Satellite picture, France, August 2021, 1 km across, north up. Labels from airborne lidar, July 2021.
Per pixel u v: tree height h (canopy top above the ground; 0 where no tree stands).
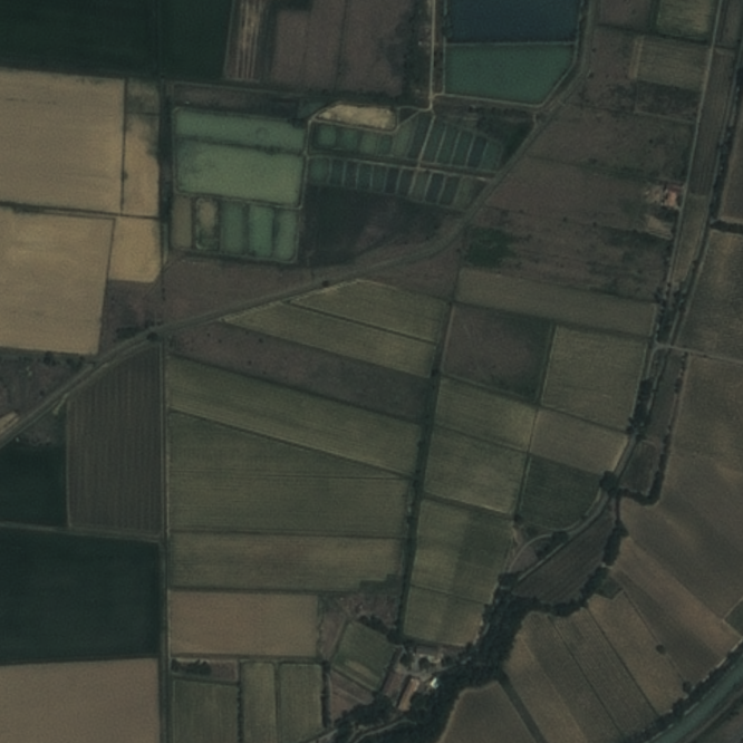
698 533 0
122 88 0
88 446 0
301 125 10
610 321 0
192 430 0
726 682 0
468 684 12
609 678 0
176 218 0
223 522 0
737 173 0
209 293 0
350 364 0
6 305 0
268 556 0
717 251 0
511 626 14
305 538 0
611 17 0
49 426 0
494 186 0
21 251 0
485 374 0
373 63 0
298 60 0
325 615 0
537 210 0
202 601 0
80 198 0
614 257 0
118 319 0
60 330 0
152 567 0
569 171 0
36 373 0
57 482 0
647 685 0
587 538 0
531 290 0
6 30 0
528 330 0
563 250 0
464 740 0
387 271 0
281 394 0
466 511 0
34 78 0
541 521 0
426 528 0
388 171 0
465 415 0
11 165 0
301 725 0
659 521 0
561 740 0
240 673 0
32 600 0
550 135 0
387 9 0
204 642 0
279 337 0
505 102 0
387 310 0
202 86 0
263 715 0
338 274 0
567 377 0
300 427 0
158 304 0
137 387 0
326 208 0
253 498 0
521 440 0
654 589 0
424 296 0
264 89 0
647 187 0
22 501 0
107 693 0
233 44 0
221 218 0
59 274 0
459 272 0
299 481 0
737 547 0
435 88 0
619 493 7
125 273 0
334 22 0
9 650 0
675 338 0
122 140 0
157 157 0
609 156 0
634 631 0
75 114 0
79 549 0
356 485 0
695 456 0
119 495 0
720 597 0
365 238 0
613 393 0
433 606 0
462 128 0
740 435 0
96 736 0
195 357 0
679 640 0
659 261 0
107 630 0
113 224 0
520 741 0
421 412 0
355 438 0
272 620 0
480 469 0
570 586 0
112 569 0
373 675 0
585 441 0
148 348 0
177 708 0
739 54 0
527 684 0
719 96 0
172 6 0
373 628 9
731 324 0
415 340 0
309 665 0
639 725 0
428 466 0
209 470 0
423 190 0
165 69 0
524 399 0
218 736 0
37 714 0
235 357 0
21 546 0
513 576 12
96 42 0
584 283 0
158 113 0
